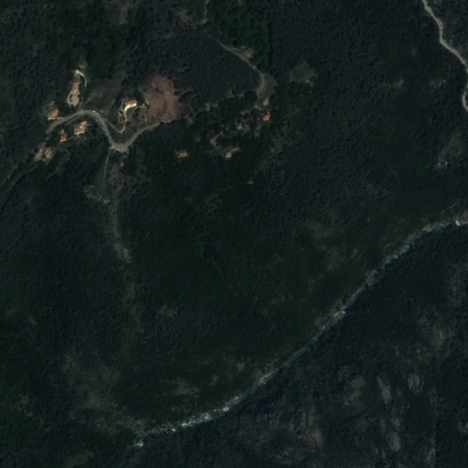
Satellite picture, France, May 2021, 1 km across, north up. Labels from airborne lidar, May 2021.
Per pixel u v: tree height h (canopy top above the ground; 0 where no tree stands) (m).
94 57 24
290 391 11
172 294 16
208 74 20
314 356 7
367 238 6
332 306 6
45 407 15
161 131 25
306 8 27
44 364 16
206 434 18
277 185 6
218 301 18
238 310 21
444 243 11
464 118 20
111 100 0
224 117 9
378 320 16
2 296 15
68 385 7
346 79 24
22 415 13
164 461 10
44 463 19
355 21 15
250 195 16
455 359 15
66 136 6
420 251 12
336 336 21
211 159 18
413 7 10
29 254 20
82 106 0
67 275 26
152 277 13
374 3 17
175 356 7
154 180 10
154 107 0
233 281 12
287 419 9
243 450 17
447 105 19
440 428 21
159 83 0
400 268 14
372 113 7
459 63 13
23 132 17
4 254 9
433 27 20
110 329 8
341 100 24
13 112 6
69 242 10
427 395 8
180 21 16
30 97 15
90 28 12
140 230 7
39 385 21
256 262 13
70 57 9
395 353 7
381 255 9
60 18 22
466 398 14
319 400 14
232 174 20
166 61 18
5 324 16
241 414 8
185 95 16
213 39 18
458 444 16
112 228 0
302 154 13
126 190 7
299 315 8
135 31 20
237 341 9
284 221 24
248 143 17
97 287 6
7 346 24
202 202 9
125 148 0
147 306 8
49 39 8
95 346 7
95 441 14
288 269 12
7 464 25
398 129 10
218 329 17
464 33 18
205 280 21
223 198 16
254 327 15
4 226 25
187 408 7
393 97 8
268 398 11
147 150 12
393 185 19
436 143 12
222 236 14
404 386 7
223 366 6
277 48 18
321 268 8
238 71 18
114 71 8
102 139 7
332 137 23
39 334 11
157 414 8
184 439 30
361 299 19
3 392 12
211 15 11
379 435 9
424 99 9
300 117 6
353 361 11
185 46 21
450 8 16
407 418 15
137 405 10
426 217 10
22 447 23
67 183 23
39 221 26
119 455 13
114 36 15
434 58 23
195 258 14
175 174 19
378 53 9
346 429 9
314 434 0
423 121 15
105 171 0
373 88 24
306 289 8
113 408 6
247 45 8
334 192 18
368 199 16
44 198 17
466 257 12
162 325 19
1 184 17
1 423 18
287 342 8
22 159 19
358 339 14
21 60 17
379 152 14
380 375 7
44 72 16
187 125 15
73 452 13
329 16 13
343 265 8
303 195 18
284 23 24
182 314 19
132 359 9
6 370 13
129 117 0
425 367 12
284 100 16
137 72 18
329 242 9
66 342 12
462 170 12
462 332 5
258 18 17
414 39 13
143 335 7
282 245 8
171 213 18
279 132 8
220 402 9
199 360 8
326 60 21
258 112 17
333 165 22
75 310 21
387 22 22
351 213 19
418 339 6
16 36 19
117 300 8
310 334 6
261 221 15
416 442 7
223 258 10
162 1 16
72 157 14
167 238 17
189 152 10
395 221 8
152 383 6
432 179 11
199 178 18
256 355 9
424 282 19
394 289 19
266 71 14
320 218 9
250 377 9
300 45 22
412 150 14
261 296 9
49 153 0
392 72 11
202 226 14
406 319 6
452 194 11
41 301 21
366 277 12
